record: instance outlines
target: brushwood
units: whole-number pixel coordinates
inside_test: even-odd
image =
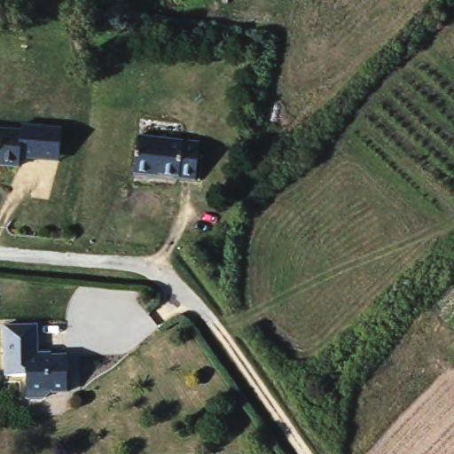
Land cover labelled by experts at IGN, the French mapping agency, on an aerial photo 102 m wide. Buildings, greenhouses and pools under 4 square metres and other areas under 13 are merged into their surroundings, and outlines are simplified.
[[[133,273],[133,275],[131,275],[131,277],[112,277],[112,275],[96,275],[96,273],[90,273],[90,271],[89,271],[89,268],[0,261],[0,278],[60,278],[74,280],[80,287],[137,291],[138,303],[144,307],[145,312],[160,310],[174,296],[170,286]]]
[[[200,337],[199,328],[183,314],[163,319],[158,328],[170,335],[168,340],[176,346],[195,340],[206,348],[207,344]]]
[[[32,229],[25,225],[21,227],[20,232],[66,238],[82,236],[82,225],[74,223],[71,216],[62,213],[57,225]]]
[[[200,284],[213,296],[213,300],[222,310],[223,316],[231,316],[241,310],[247,310],[248,307],[247,300],[239,301],[234,296],[234,238],[236,234],[241,234],[239,223],[243,222],[243,216],[257,218],[264,209],[268,209],[275,202],[277,195],[286,192],[298,179],[309,176],[316,168],[312,165],[312,151],[319,149],[319,140],[326,140],[330,137],[332,129],[342,124],[353,103],[364,94],[365,87],[374,82],[378,74],[385,71],[385,64],[399,59],[401,46],[408,46],[410,59],[413,59],[420,53],[417,44],[427,30],[434,28],[438,34],[443,32],[445,25],[442,25],[442,20],[445,14],[440,11],[440,4],[454,5],[454,0],[429,0],[422,7],[422,11],[417,12],[399,34],[369,57],[364,66],[356,69],[348,85],[340,90],[335,98],[330,99],[323,108],[303,117],[300,128],[284,131],[280,122],[271,121],[270,115],[271,108],[280,98],[277,89],[278,78],[286,60],[286,28],[218,16],[211,16],[209,23],[216,23],[215,30],[223,30],[234,43],[247,48],[245,60],[232,64],[236,71],[234,85],[225,92],[225,101],[231,108],[227,122],[229,126],[238,128],[238,138],[234,144],[227,145],[225,154],[229,156],[229,163],[222,168],[225,183],[211,184],[206,192],[209,206],[207,215],[222,213],[222,216],[227,218],[223,264],[220,266],[206,261],[199,247],[193,247],[192,250],[186,248],[183,254],[183,259],[190,264],[193,275],[199,278]]]
[[[431,247],[431,254],[427,255],[426,259],[415,262],[413,268],[404,275],[399,275],[395,284],[388,286],[387,289],[381,289],[376,300],[365,303],[364,309],[358,310],[348,325],[344,326],[344,332],[340,333],[339,340],[328,346],[323,353],[319,353],[319,356],[303,356],[298,353],[296,360],[289,360],[277,348],[266,348],[266,344],[261,340],[261,332],[255,325],[245,326],[234,339],[239,349],[247,356],[248,362],[254,365],[264,385],[277,399],[280,408],[286,411],[287,417],[298,429],[312,454],[340,454],[340,442],[346,436],[344,426],[348,417],[351,380],[364,387],[371,383],[374,374],[380,369],[388,369],[392,365],[390,356],[404,335],[410,333],[415,317],[419,317],[427,310],[438,309],[438,301],[447,296],[454,287],[454,231],[450,231],[443,238],[436,238]]]
[[[89,62],[89,51],[85,48],[74,50],[74,44],[71,44],[67,51],[67,59],[62,60],[60,64],[60,71],[64,73],[64,78],[69,78],[74,85],[89,89],[90,83],[96,82],[96,66]]]
[[[57,20],[53,21],[62,37],[80,41],[80,44],[92,41],[99,34],[96,28],[90,25],[96,12],[94,4],[92,0],[64,0],[59,5]]]
[[[69,403],[73,404],[74,408],[82,408],[85,404],[92,403],[96,395],[90,390],[78,392],[69,399]]]
[[[231,376],[209,351],[206,355],[206,367],[197,371],[197,381],[206,383],[215,395],[220,392],[231,388]]]
[[[254,440],[255,431],[261,427],[261,419],[257,417],[250,404],[245,404],[243,411],[248,417],[248,426],[241,434]]]
[[[158,422],[154,417],[154,408],[145,410],[144,404],[147,399],[138,397],[133,403],[137,408],[142,408],[140,424],[145,427],[156,426]]]

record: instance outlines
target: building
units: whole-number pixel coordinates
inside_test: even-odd
[[[215,138],[195,135],[188,131],[149,126],[137,137],[137,172],[161,174],[165,170],[177,177],[181,177],[181,174],[190,174],[193,179],[200,179],[213,170],[225,154],[227,145]]]
[[[12,167],[16,170],[27,161],[57,160],[60,156],[71,156],[76,153],[87,142],[92,133],[89,124],[53,117],[35,117],[34,121],[30,122],[0,121],[0,168]]]
[[[32,317],[12,319],[9,325],[0,326],[0,369],[4,371],[9,383],[16,383],[20,387],[21,394],[25,395],[28,401],[30,397],[66,392],[69,388],[83,385],[90,378],[92,374],[101,365],[106,365],[105,355],[94,353],[90,349],[67,348],[53,344],[48,333],[48,326],[51,326],[46,317]]]

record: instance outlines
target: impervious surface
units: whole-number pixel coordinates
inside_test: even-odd
[[[57,326],[51,326],[48,326],[48,333],[53,344],[67,348],[90,349],[94,353],[105,355],[122,353],[133,351],[147,335],[151,335],[158,328],[163,319],[183,314],[188,310],[197,312],[209,328],[218,321],[216,316],[204,301],[200,300],[199,294],[181,280],[170,259],[161,250],[145,257],[124,257],[0,247],[0,261],[89,268],[105,268],[105,270],[121,270],[121,271],[131,271],[131,273],[133,273],[170,286],[174,296],[160,310],[145,312],[144,307],[138,303],[137,291],[80,287],[69,300],[66,319],[60,321]]]

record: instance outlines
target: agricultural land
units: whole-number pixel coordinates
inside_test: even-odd
[[[438,309],[427,310],[419,317],[415,317],[410,333],[404,335],[390,356],[392,365],[388,369],[380,369],[374,374],[371,383],[364,387],[351,380],[348,417],[344,426],[346,436],[340,442],[340,454],[454,454],[454,287],[447,296],[438,301]]]
[[[309,176],[298,179],[286,192],[277,195],[275,202],[268,209],[264,209],[257,218],[243,216],[243,222],[239,223],[241,234],[236,234],[234,238],[234,296],[239,301],[247,300],[248,307],[247,310],[241,310],[231,316],[223,316],[222,310],[216,316],[218,321],[234,339],[245,326],[255,325],[261,332],[261,340],[266,344],[266,348],[277,348],[289,360],[296,360],[298,353],[303,356],[319,356],[319,353],[323,353],[328,346],[339,340],[340,333],[344,332],[344,326],[348,325],[358,310],[364,309],[365,303],[376,300],[381,289],[387,289],[388,286],[395,284],[399,275],[404,275],[413,268],[415,262],[426,259],[427,255],[431,254],[431,247],[436,238],[443,238],[450,231],[454,231],[454,5],[440,4],[440,11],[445,14],[442,20],[442,25],[445,25],[443,32],[438,34],[434,28],[427,30],[417,44],[420,53],[413,59],[410,59],[408,46],[401,46],[399,59],[385,64],[385,71],[378,74],[374,82],[365,87],[364,94],[353,103],[342,124],[332,129],[330,137],[326,140],[319,140],[319,149],[312,151],[312,165],[316,168]]]

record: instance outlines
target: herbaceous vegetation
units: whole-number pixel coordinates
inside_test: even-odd
[[[151,335],[147,335],[133,351],[122,353],[124,356],[119,364],[112,365],[99,376],[92,374],[90,378],[101,388],[96,395],[92,403],[85,404],[82,408],[74,408],[73,404],[69,403],[64,413],[53,415],[57,429],[51,438],[50,449],[55,454],[298,454],[289,443],[287,427],[271,417],[270,411],[264,408],[261,399],[255,394],[254,388],[248,385],[245,376],[239,372],[231,356],[227,355],[220,340],[216,339],[215,333],[209,328],[197,312],[188,310],[183,314],[199,328],[200,337],[207,344],[206,348],[195,340],[176,346],[168,340],[170,335],[158,328]],[[206,383],[197,381],[197,371],[206,367],[206,355],[209,351],[231,376],[231,388],[220,392],[229,403],[232,403],[232,411],[218,415],[222,422],[216,429],[216,433],[220,434],[218,442],[204,445],[200,443],[200,436],[197,434],[181,436],[179,431],[174,429],[177,422],[183,422],[188,415],[204,408],[207,399],[215,395]],[[137,408],[133,403],[138,397],[147,399],[144,404],[145,410],[154,408],[154,417],[158,422],[156,426],[145,427],[140,424],[142,408]],[[250,404],[257,417],[261,419],[261,427],[255,431],[254,440],[241,434],[248,426],[248,417],[243,411],[245,404]]]
[[[0,207],[4,204],[5,197],[11,193],[16,170],[12,167],[0,168]]]
[[[5,427],[0,431],[0,454],[27,454],[25,445],[20,440],[25,429]]]
[[[67,59],[67,51],[71,44],[74,44],[74,50],[85,48],[89,51],[89,62],[96,66],[96,82],[90,83],[89,89],[74,85],[69,78],[64,78],[64,73],[60,71],[60,64],[62,60]],[[89,124],[92,133],[87,142],[76,153],[71,156],[60,156],[57,160],[59,167],[53,179],[50,197],[23,197],[14,209],[9,227],[0,239],[0,247],[124,257],[145,257],[161,250],[181,211],[181,183],[133,181],[133,174],[137,172],[137,137],[149,126],[188,131],[195,135],[215,138],[227,145],[234,144],[238,138],[238,128],[229,126],[227,122],[231,108],[225,101],[225,92],[234,85],[236,71],[232,64],[227,60],[195,66],[188,62],[167,66],[135,62],[129,59],[128,37],[115,37],[101,46],[92,41],[80,44],[80,41],[62,37],[53,21],[48,21],[41,27],[21,28],[20,32],[9,37],[0,37],[0,121],[30,122],[34,121],[35,117],[53,117]],[[66,238],[20,232],[21,227],[25,225],[32,229],[57,225],[62,213],[71,216],[74,223],[82,225],[82,236]]]
[[[186,248],[192,250],[193,247],[199,247],[206,261],[220,266],[223,264],[227,218],[222,216],[222,213],[207,215],[209,206],[206,192],[211,184],[225,183],[222,168],[229,163],[229,156],[225,154],[213,170],[200,179],[204,188],[192,193],[195,218],[193,222],[188,223],[170,259],[181,280],[199,294],[200,300],[204,301],[216,316],[222,310],[213,300],[213,296],[200,284],[199,278],[193,275],[190,264],[183,259],[183,254]]]
[[[133,273],[131,273],[131,271],[121,271],[121,270],[105,270],[105,268],[89,268],[89,271],[90,271],[90,273],[96,273],[96,275],[112,275],[112,277],[131,277],[131,275],[133,275]]]
[[[57,326],[60,321],[66,319],[69,300],[80,287],[74,280],[60,278],[0,278],[0,326],[9,325],[12,319],[32,317],[46,317],[51,326]]]
[[[271,121],[280,122],[284,131],[300,128],[303,117],[323,108],[330,99],[335,98],[340,90],[348,85],[356,69],[364,66],[369,57],[399,34],[417,12],[422,11],[422,7],[429,0],[92,0],[94,4],[115,2],[122,7],[133,7],[140,14],[147,14],[153,23],[165,25],[167,30],[174,30],[177,34],[186,28],[197,27],[200,21],[209,23],[211,16],[218,16],[286,28],[286,60],[278,78],[277,89],[280,98],[271,108],[270,115]]]

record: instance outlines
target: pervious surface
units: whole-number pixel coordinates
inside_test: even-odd
[[[101,388],[90,378],[83,385],[69,388],[66,392],[30,397],[28,401],[48,404],[53,415],[64,413],[69,403],[69,399],[78,392],[90,390],[96,395]]]
[[[16,170],[11,193],[5,197],[4,204],[0,207],[0,239],[9,227],[14,209],[23,197],[50,197],[53,179],[59,167],[57,160],[27,161]]]
[[[105,355],[106,365],[101,365],[92,374],[99,376],[112,365],[119,364],[124,356],[122,353]]]
[[[133,181],[181,183],[181,211],[161,250],[170,259],[188,223],[193,222],[195,218],[192,193],[204,188],[200,179],[193,179],[190,174],[181,174],[181,177],[177,177],[165,170],[161,174],[137,172],[133,174]]]
[[[312,454],[298,429],[287,417],[286,411],[280,408],[277,399],[264,385],[254,365],[248,362],[247,356],[239,349],[234,339],[218,321],[209,328],[215,333],[216,339],[220,340],[227,355],[231,356],[239,372],[245,376],[248,385],[254,388],[255,394],[261,399],[264,408],[270,411],[271,417],[287,427],[289,443],[298,454]]]

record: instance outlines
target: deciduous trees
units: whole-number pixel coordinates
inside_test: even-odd
[[[21,28],[41,27],[48,21],[53,21],[57,20],[59,5],[64,0],[0,0],[0,37],[9,37],[20,32]]]
[[[223,30],[215,30],[216,23],[209,23],[200,21],[197,27],[186,28],[177,34],[174,30],[167,30],[165,25],[153,23],[147,14],[140,14],[133,7],[122,7],[115,2],[94,4],[96,12],[90,25],[96,28],[99,34],[92,41],[101,46],[115,37],[128,37],[129,59],[135,62],[167,66],[188,62],[195,66],[227,60],[232,64],[245,60],[247,48],[234,43]]]
[[[222,422],[218,415],[232,411],[232,403],[229,403],[220,392],[215,395],[207,399],[204,408],[188,415],[183,422],[177,422],[174,429],[179,431],[181,436],[197,434],[200,436],[200,443],[204,445],[218,442],[220,434],[216,433],[216,429]]]
[[[53,415],[48,404],[28,401],[25,395],[21,394],[20,387],[16,383],[9,383],[4,371],[0,369],[0,431],[5,427],[25,429],[20,440],[25,445],[27,454],[55,454],[50,449],[51,438],[57,429]]]

